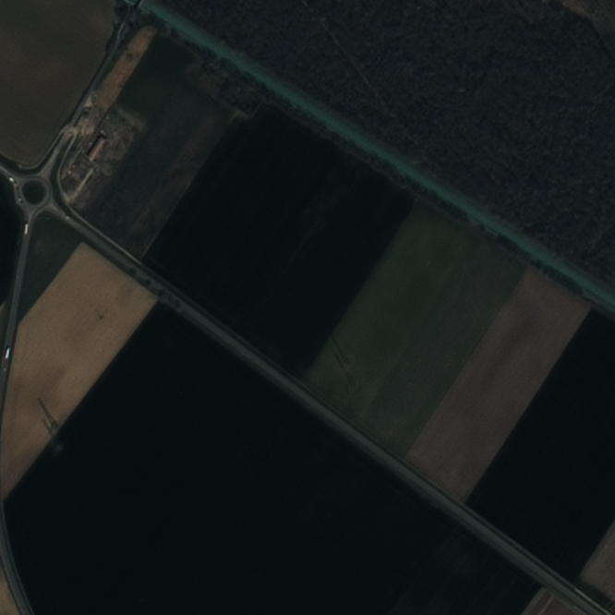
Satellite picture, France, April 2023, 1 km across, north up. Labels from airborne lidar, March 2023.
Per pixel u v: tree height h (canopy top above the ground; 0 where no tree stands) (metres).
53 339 0
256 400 0
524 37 11
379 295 0
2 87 0
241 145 0
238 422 0
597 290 0
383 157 0
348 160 0
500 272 0
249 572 0
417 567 0
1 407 0
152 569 0
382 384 0
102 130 0
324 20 16
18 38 0
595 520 0
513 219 24
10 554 0
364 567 0
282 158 0
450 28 9
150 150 0
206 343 0
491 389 0
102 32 0
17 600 0
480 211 0
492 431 0
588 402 0
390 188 0
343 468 0
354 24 6
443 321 0
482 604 0
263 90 19
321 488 0
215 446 0
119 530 0
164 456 0
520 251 16
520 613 0
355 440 0
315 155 0
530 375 0
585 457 0
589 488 0
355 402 0
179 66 0
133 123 0
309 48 9
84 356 0
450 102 20
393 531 0
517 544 0
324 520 0
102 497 0
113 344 0
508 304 0
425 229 0
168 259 0
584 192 13
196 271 0
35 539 0
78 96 0
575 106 16
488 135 19
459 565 0
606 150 18
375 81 12
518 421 0
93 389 0
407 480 0
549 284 0
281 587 0
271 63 12
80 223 0
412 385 0
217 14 21
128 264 0
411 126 23
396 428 0
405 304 0
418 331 0
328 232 0
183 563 0
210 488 0
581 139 15
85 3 0
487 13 14
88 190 0
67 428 0
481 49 16
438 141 21
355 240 0
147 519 0
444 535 0
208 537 0
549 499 0
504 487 0
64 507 0
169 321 0
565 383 0
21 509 0
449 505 0
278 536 0
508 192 23
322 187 0
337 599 0
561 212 15
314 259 0
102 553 0
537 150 9
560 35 6
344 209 0
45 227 0
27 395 0
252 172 0
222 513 0
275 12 9
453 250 0
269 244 0
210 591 0
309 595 0
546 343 0
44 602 0
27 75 0
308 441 0
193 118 0
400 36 7
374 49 22
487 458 0
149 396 0
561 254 15
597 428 0
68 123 0
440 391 0
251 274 0
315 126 15
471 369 0
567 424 0
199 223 0
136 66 0
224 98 14
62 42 0
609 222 18
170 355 0
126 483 0
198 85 0
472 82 21
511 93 19
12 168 0
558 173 16
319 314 0
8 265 0
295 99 0
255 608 0
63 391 0
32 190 0
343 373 0
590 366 0
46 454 0
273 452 0
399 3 16
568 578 0
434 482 0
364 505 0
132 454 0
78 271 0
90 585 0
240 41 22
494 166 7
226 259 0
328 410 0
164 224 0
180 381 0
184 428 0
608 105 16
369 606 0
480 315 0
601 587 0
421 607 0
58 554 0
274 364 0
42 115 0
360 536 0
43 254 0
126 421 0
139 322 0
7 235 0
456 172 18
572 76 14
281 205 0
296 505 0
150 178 0
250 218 0
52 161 0
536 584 0
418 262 0
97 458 0
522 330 0
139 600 0
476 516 0
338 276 0
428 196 15
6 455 0
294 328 0
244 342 0
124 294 0
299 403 0
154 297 0
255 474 0
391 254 0
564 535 0
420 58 7
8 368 0
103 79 0
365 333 0
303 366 0
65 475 0
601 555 0
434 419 0
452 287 0
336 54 17
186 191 0
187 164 0
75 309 0
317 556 0
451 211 15
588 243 24
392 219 0
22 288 0
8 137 0
